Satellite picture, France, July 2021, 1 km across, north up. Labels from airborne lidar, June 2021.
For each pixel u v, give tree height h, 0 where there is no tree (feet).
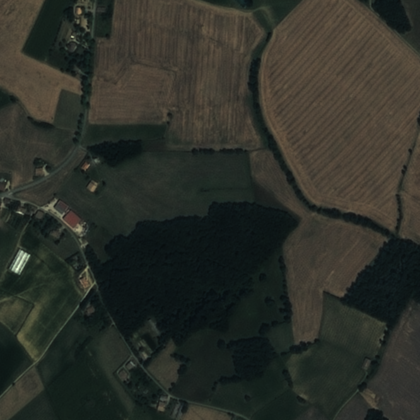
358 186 0
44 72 0
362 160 0
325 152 0
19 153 0
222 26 0
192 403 0
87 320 58
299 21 0
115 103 0
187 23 0
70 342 0
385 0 53
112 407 0
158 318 21
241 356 53
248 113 0
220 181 0
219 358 0
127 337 41
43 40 0
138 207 0
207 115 0
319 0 0
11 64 0
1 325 0
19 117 0
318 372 0
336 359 0
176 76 0
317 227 0
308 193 0
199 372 0
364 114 0
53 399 0
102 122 0
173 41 0
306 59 0
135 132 0
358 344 0
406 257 72
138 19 0
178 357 55
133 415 0
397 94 0
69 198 0
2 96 0
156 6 0
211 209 47
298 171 0
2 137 0
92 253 45
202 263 73
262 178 0
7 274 0
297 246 0
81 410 0
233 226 75
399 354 0
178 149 0
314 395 0
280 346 0
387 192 0
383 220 0
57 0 0
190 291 97
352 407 0
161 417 0
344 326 0
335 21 0
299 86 0
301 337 0
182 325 61
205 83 0
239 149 33
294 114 0
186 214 0
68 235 0
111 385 0
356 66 0
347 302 59
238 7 0
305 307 0
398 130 0
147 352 0
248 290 68
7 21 0
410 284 78
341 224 0
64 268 0
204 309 95
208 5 0
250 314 0
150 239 81
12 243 0
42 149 0
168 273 105
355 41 0
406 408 0
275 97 0
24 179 0
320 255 0
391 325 58
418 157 0
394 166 0
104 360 0
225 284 88
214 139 0
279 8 0
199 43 0
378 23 0
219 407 0
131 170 0
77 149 0
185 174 0
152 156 0
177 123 0
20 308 0
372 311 46
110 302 63
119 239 54
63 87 0
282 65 0
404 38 0
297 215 0
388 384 0
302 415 0
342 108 0
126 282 90
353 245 0
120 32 0
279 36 0
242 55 0
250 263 81
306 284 0
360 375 0
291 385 40
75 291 0
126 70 0
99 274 51
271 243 69
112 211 0
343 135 0
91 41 61
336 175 0
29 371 0
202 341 0
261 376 48
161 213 0
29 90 0
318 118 0
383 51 0
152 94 0
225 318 36
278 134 0
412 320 0
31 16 0
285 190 0
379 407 0
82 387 0
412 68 0
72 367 0
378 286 68
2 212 0
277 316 0
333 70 0
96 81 0
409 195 0
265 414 0
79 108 0
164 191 0
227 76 0
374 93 0
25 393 0
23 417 0
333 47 0
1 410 0
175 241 80
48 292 0
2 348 0
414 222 0
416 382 0
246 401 24
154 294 88
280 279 0
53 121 0
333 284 0
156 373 0
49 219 35
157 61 0
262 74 0
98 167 0
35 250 0
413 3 0
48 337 0
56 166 0
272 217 58
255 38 0
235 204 44
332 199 0
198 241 71
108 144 66
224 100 0
